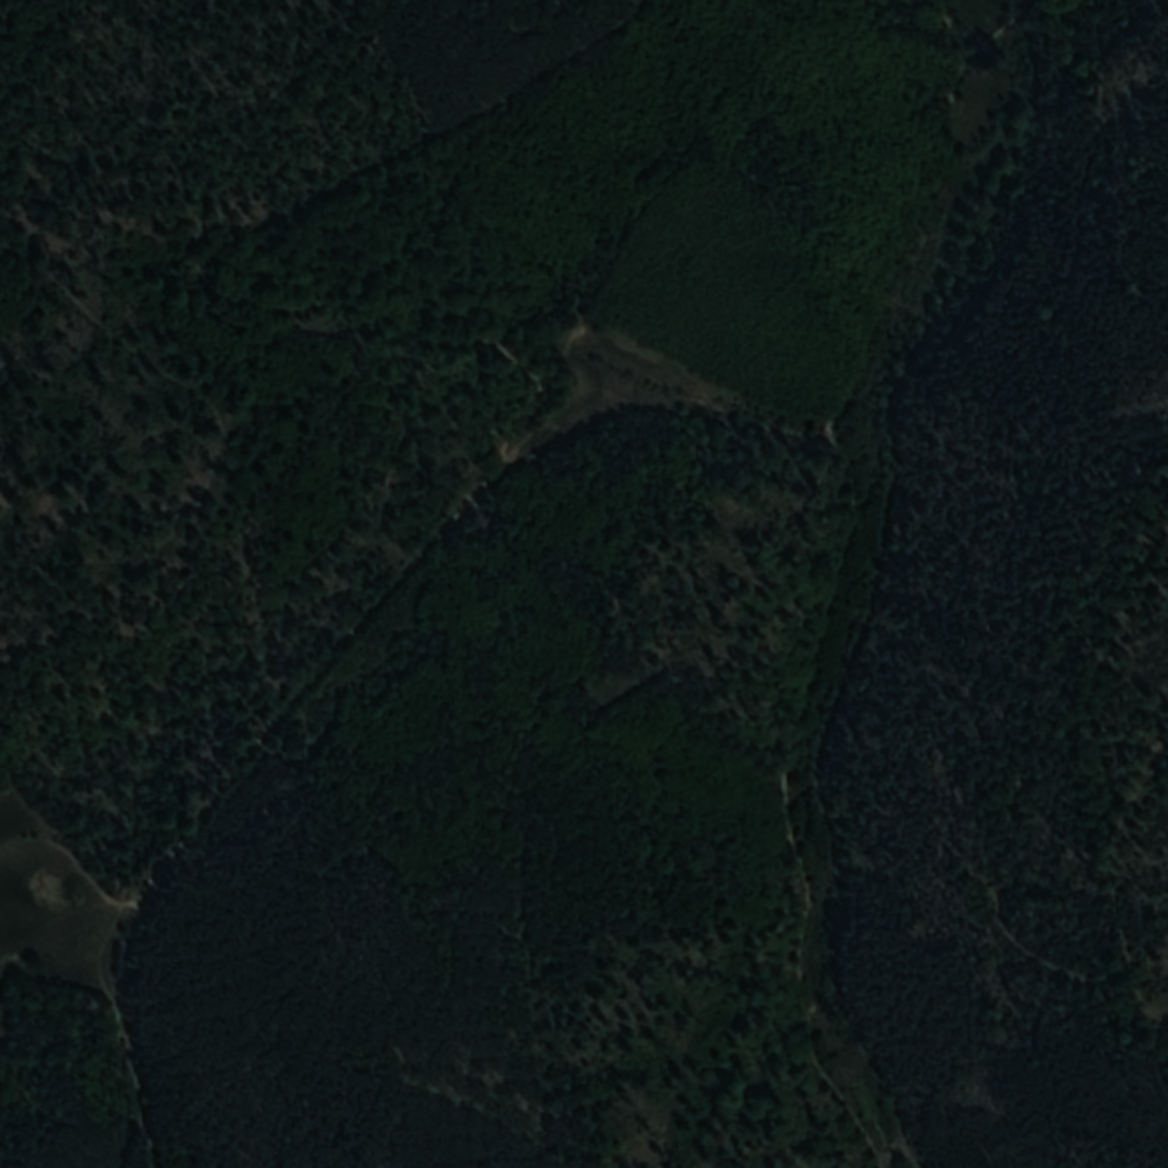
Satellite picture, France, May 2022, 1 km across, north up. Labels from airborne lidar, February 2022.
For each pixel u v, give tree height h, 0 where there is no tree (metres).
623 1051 29
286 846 22
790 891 32
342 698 15
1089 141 10
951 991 22
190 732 13
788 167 22
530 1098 19
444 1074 18
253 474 30
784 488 23
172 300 38
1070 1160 27
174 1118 24
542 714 16
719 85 0
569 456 18
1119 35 27
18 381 28
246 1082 20
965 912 31
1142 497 27
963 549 31
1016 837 14
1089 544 28
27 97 28
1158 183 9
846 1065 0
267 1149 20
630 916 17
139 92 21
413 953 18
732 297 0
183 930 20
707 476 26
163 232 36
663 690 12
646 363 0
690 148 19
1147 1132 18
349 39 24
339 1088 19
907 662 35
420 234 28
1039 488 13
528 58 17
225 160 18
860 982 25
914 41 19
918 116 19
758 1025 32
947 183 0
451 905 16
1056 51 24
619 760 13
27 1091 13
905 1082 27
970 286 7
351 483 9
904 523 29
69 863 0
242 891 19
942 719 29
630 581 25
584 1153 10
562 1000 23
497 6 19
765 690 8
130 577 28
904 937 23
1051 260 28
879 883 20
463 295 32
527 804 15
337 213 33
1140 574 22
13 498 28
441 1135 16
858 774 31
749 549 23
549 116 0
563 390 24
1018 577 31
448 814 18
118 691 34
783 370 7
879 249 22
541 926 15
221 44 21
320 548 9
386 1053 20
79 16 25
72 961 0
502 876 18
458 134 17
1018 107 27
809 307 17
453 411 32
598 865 14
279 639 26
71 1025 15
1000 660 6
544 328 33
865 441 7
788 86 0
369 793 17
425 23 17
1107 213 29
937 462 29
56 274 32
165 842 10
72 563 30
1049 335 30
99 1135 24
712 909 8
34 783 12
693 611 24
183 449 7
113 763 34
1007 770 29
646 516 12
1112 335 25
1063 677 32
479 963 16
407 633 14
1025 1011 32
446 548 18
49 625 22
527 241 0
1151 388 25
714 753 11
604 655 10
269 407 14
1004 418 29
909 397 28
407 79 12
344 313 28
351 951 19
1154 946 6
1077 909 10
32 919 0
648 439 15
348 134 24
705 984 29
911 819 29
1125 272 12
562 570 14
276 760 8
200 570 28
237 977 19
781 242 0
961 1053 23
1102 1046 9
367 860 25
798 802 7
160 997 20
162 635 34
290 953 19
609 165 21
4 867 0
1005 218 10
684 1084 31
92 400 0
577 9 19
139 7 24
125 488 0
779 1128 23
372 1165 24
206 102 19
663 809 10
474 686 15
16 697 23
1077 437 28
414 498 28
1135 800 0
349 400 9
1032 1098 12
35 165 23
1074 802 10
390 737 0
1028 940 11
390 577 22
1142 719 28
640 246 0
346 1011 20
